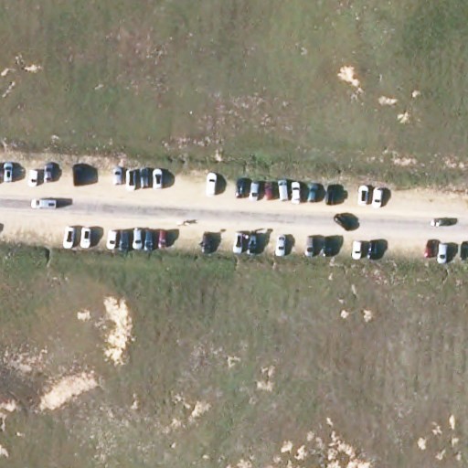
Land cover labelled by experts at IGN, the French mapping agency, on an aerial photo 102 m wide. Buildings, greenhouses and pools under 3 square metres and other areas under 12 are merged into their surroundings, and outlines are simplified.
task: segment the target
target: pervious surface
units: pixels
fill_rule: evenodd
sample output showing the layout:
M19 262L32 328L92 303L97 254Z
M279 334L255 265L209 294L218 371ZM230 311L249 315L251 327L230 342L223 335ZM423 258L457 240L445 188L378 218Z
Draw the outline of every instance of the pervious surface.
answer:
M0 245L4 241L22 241L31 245L80 250L88 249L90 241L99 243L102 238L106 249L113 249L117 245L121 247L122 252L130 252L132 249L154 250L175 243L177 249L185 250L197 250L201 245L205 245L205 252L210 256L218 247L234 254L241 249L250 250L254 254L260 254L261 250L267 249L276 256L282 256L283 252L300 252L307 256L309 250L313 254L324 250L327 256L331 256L335 256L336 252L342 249L353 260L358 260L360 254L378 260L388 249L389 252L402 254L406 258L420 258L426 254L430 258L437 256L437 263L444 263L446 258L453 260L455 254L468 258L468 194L444 194L441 190L430 186L415 186L411 190L400 192L389 194L388 188L375 190L373 185L360 185L351 196L347 196L346 190L340 185L320 185L292 183L285 186L285 181L260 181L258 185L250 185L249 177L243 177L236 185L227 185L223 175L216 177L207 170L192 170L188 175L174 177L168 170L161 172L159 168L155 168L152 172L150 168L144 168L141 161L128 159L126 155L122 155L113 163L113 159L104 155L13 152L9 150L7 143L0 152Z

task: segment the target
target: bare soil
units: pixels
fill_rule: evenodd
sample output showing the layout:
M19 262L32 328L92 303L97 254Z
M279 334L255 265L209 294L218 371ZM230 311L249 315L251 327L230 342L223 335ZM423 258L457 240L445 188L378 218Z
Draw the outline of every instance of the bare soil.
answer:
M351 95L351 99L358 99L364 93L364 88L353 75L353 69L344 68L340 71L340 79L351 84L347 88L347 93Z
M283 252L282 256L276 256L267 249L261 250L260 254L254 254L250 250L241 249L234 254L218 247L210 256L216 261L229 263L234 267L241 261L260 261L265 265L272 265L278 276L282 276L287 269L292 269L292 265L325 269L331 256L327 256L324 250L313 254L309 250L307 256L300 252Z
M124 300L108 298L104 305L110 318L115 322L115 331L110 335L106 356L112 356L115 364L122 364L121 353L126 346L126 338L132 331L132 318L126 313Z
M115 455L117 437L122 437L122 441L126 441L130 435L137 435L139 431L130 426L128 420L113 417L110 404L115 402L115 399L104 378L97 377L93 380L88 378L86 373L80 373L79 377L64 378L51 393L42 397L40 404L29 408L27 419L33 420L33 424L40 424L46 422L51 415L53 422L64 424L68 433L77 435L80 446L97 448L99 459L106 461L108 455Z
M2 362L5 366L16 367L20 371L31 371L31 366L35 362L42 362L42 356L48 355L48 349L35 347L35 351L31 353L33 356L4 351Z
M455 185L444 186L441 190L444 194L468 194L468 183L459 181Z
M373 185L375 190L388 188L389 194L400 192L395 183L377 181L373 175L324 175L320 185L340 185L346 190L347 196L351 196L360 185Z
M336 433L331 435L331 442L324 442L322 437L309 431L302 448L285 442L282 450L276 453L276 457L267 468L369 468L369 464L356 461L355 450L346 442L342 442Z

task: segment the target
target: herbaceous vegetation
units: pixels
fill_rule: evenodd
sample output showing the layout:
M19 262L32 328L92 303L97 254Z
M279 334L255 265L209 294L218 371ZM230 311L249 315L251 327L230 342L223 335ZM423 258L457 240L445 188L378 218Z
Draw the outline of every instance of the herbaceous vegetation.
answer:
M115 331L115 322L110 318L104 305L108 298L124 300L126 313L132 318L132 331L126 338L126 346L121 353L122 364L115 364L112 356L106 356L110 335ZM48 355L42 356L42 362L35 362L31 366L31 371L20 371L16 367L5 366L2 362L4 351L33 356L31 353L35 351L35 347L48 349ZM137 435L130 435L126 441L122 441L122 437L117 437L115 455L108 455L106 461L99 459L97 448L80 446L77 435L68 433L64 424L53 422L51 415L46 422L40 424L33 424L33 420L27 419L29 408L40 404L42 397L51 393L64 378L79 377L80 373L86 373L88 378L93 380L97 377L104 378L115 399L115 402L110 404L113 417L128 420L130 426L139 431ZM346 442L355 450L356 461L369 464L369 468L468 468L468 258L455 254L453 260L446 258L444 263L437 263L437 256L430 258L426 254L420 258L406 258L402 254L389 252L388 249L378 260L360 254L358 260L353 260L342 249L336 252L335 256L331 256L325 269L292 265L292 269L287 269L282 276L278 276L272 265L265 265L260 261L241 261L234 267L229 263L216 261L210 256L205 252L205 245L201 245L197 250L185 250L177 249L175 243L154 250L132 249L130 252L122 252L121 247L117 245L113 249L106 249L102 238L99 243L90 241L88 249L80 250L31 245L22 241L4 241L0 245L0 468L267 468L276 457L276 453L282 450L285 442L302 448L309 431L322 437L324 442L331 442L331 435L336 433L342 442Z
M353 69L353 75L364 88L364 93L358 99L351 99L351 95L347 93L347 88L351 84L340 79L340 71L344 68ZM236 185L243 177L249 177L250 185L258 185L260 181L285 181L285 186L292 183L320 185L324 175L373 175L377 181L395 183L400 192L411 190L415 186L430 186L441 190L444 186L455 185L459 181L468 183L468 0L0 0L0 152L7 143L9 150L13 152L104 155L113 159L113 163L122 155L126 155L128 159L141 161L144 168L150 168L152 172L155 168L159 168L161 172L168 170L174 177L188 175L192 170L207 170L216 177L223 175L227 185Z

